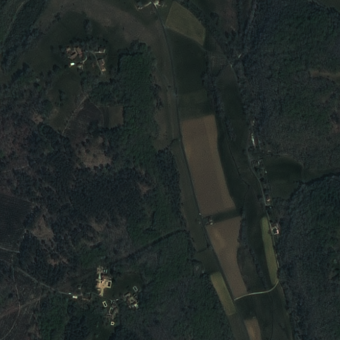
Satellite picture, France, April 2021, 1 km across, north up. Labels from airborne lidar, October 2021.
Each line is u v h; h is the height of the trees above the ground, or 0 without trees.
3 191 11
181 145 0
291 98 18
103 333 0
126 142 22
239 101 0
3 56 8
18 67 0
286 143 16
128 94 18
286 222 9
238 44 8
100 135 21
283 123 13
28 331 18
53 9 0
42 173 14
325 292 19
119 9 0
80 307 7
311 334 15
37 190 26
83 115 0
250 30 19
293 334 9
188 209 0
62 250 24
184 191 0
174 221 18
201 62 0
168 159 17
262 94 11
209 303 21
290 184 0
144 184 26
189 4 14
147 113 21
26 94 24
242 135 0
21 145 8
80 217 25
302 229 25
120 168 22
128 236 17
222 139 0
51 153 14
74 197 32
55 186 26
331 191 21
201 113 0
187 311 20
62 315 27
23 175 7
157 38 0
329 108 20
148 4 0
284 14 16
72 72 0
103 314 14
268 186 6
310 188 18
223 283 0
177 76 0
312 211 21
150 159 21
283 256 10
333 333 20
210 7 0
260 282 0
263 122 10
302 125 11
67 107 0
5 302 16
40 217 23
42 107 20
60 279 12
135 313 15
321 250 21
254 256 15
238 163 0
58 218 15
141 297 17
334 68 20
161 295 21
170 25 0
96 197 26
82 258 27
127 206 27
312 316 19
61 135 18
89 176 32
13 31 8
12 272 16
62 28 0
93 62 17
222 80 0
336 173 0
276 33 19
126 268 12
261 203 12
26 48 16
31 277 17
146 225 21
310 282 20
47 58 0
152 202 24
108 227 12
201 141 0
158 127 19
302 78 18
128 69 23
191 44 0
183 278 21
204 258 0
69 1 0
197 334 21
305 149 9
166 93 0
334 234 18
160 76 0
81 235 27
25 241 9
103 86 18
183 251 19
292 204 16
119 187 20
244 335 0
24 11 8
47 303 10
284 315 0
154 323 17
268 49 16
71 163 25
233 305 0
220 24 29
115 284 18
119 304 15
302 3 16
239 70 13
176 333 17
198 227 0
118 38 0
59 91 0
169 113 0
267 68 14
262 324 0
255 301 0
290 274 17
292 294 10
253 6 15
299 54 21
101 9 0
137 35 0
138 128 20
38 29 6
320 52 18
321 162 24
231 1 0
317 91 18
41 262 25
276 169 0
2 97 18
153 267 11
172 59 0
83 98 16
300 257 16
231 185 0
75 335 21
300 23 21
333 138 18
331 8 0
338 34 20
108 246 17
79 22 0
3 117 16
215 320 19
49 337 17
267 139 9
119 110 0
